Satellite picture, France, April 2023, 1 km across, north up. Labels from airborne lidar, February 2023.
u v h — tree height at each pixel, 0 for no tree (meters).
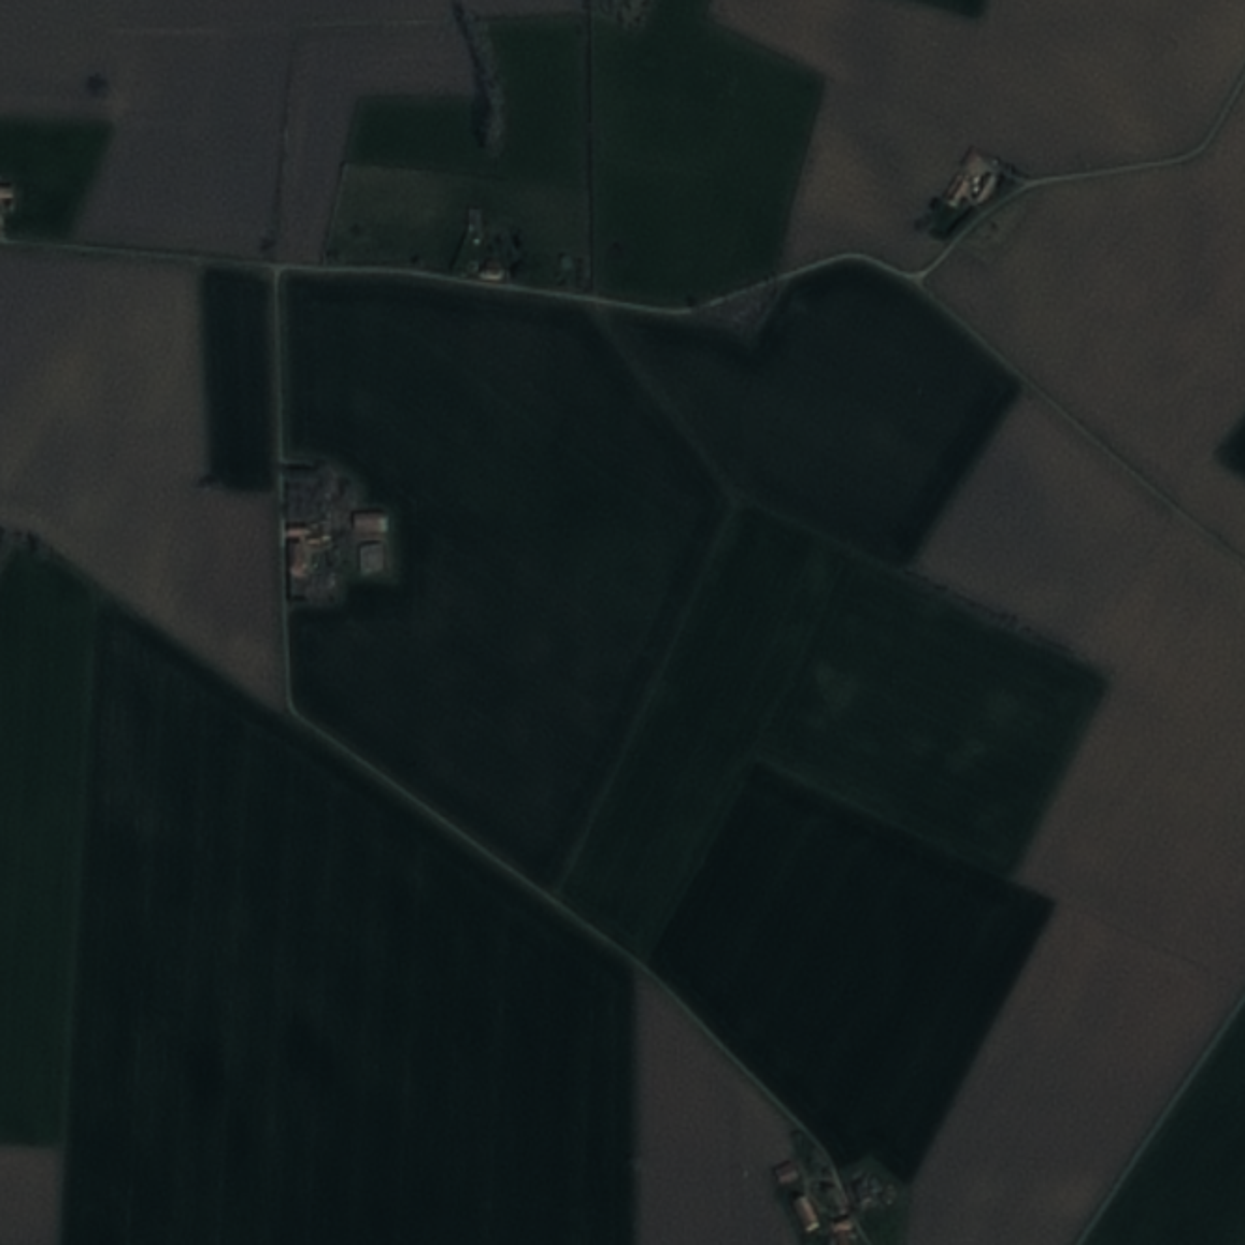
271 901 0
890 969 0
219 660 0
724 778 0
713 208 0
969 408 0
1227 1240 0
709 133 0
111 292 0
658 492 0
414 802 0
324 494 8
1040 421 0
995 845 0
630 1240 0
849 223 0
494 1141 0
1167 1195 0
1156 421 0
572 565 0
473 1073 0
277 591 0
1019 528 0
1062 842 0
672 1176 0
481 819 0
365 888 0
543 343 0
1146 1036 0
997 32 0
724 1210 0
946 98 0
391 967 0
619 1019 0
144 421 0
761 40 0
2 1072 0
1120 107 0
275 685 0
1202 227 0
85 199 0
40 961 0
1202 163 0
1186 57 0
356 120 0
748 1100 0
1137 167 0
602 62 0
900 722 0
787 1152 0
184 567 0
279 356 0
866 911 0
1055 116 0
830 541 0
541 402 0
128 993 0
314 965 0
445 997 0
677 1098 0
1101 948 0
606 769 0
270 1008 0
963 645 0
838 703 0
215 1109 0
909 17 0
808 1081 0
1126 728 0
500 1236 0
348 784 0
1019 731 0
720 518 0
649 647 0
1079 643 0
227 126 0
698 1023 0
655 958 0
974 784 0
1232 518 0
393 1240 0
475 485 0
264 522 0
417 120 0
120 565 0
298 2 0
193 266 0
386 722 0
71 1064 0
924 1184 0
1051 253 0
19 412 0
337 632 0
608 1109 0
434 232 0
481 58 26
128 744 0
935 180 0
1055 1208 0
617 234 0
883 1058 0
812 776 0
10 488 0
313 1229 0
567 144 0
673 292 0
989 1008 0
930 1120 0
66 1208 0
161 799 0
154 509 0
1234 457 0
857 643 0
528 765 0
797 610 0
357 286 0
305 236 0
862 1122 0
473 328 0
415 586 0
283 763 0
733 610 0
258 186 0
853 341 0
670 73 0
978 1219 0
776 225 0
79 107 0
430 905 0
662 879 0
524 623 0
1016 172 8
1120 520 0
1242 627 0
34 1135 0
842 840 0
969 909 0
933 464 0
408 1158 0
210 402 0
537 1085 0
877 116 0
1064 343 0
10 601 0
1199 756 0
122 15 0
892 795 0
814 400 0
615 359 0
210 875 0
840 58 0
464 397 0
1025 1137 0
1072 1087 0
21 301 0
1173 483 0
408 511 0
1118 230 0
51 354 0
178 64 0
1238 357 0
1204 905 0
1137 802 0
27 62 0
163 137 0
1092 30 0
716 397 0
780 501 0
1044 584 0
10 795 0
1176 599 0
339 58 0
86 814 0
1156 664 0
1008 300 0
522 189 0
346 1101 0
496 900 0
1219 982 0
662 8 0
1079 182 0
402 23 0
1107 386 0
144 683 0
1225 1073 0
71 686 0
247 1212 0
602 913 0
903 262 0
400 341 0
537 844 0
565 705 0
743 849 0
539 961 0
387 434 0
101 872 0
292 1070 0
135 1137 0
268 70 0
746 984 0
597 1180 0
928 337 0
